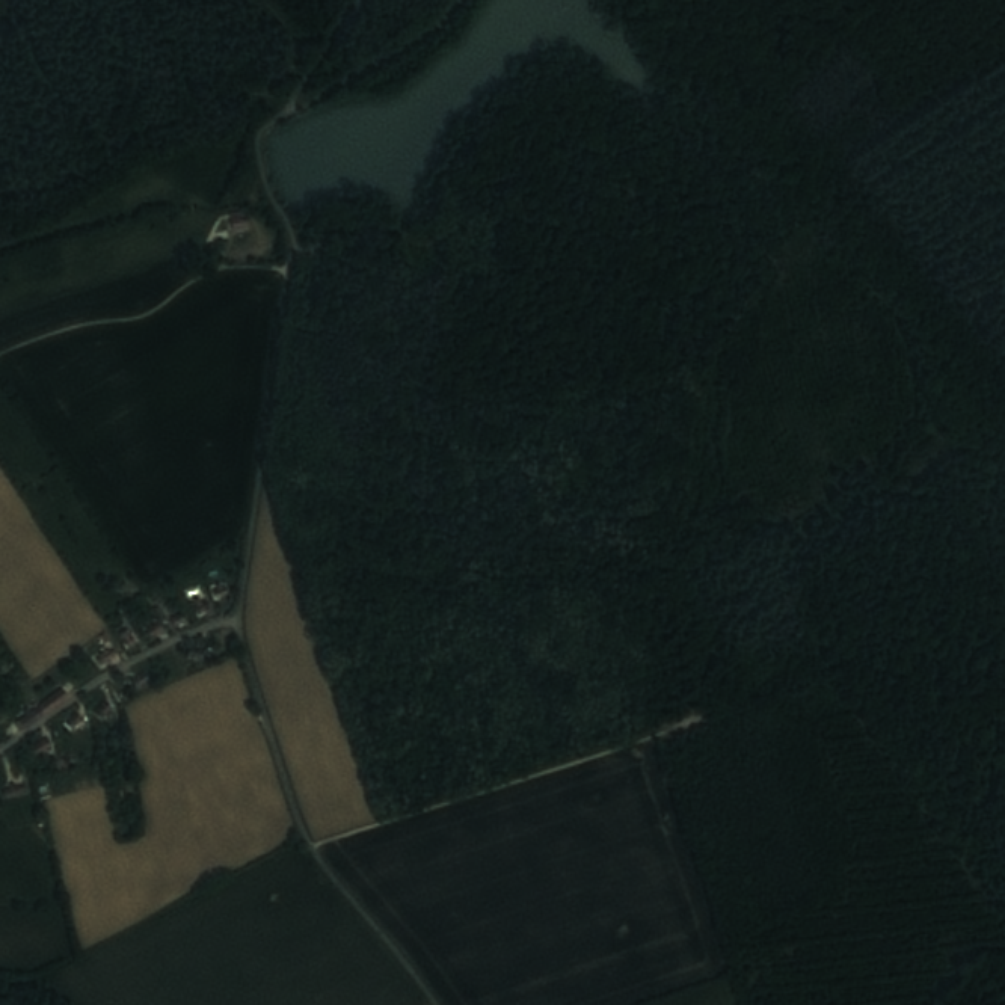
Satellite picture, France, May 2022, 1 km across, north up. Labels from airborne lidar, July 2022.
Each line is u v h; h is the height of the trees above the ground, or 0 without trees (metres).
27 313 0
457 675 10
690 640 21
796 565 22
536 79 21
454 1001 0
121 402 0
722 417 12
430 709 16
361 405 25
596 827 0
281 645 0
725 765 16
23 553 0
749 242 26
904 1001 8
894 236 24
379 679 15
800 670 13
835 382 8
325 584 22
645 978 0
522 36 0
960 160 30
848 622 22
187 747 0
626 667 23
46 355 0
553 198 27
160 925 0
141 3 24
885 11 20
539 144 28
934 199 29
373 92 19
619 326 28
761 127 27
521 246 25
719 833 15
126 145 19
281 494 24
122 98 32
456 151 8
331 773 0
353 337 29
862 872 7
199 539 0
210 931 0
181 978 0
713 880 12
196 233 0
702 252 20
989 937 6
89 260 0
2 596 0
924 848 6
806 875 14
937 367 16
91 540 0
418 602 19
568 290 27
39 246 9
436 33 13
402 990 0
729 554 21
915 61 21
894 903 8
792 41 27
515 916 0
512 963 0
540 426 21
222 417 0
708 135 21
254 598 0
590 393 14
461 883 0
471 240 24
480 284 27
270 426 21
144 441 0
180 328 0
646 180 26
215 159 0
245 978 0
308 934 0
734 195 23
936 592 19
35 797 6
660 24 24
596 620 25
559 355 27
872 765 8
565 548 20
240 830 0
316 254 16
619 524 23
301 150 0
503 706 26
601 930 0
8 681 11
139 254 0
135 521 0
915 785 22
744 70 29
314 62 16
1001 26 27
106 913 0
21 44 34
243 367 0
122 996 0
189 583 0
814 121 21
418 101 0
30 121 31
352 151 0
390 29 15
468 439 26
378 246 28
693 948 0
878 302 9
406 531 25
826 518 26
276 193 7
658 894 0
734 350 7
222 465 0
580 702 22
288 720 0
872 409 6
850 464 8
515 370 23
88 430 0
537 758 20
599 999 0
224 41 28
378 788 23
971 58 21
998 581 19
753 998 13
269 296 0
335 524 17
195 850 0
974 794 26
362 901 0
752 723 14
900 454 14
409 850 0
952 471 18
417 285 29
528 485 27
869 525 22
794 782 15
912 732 22
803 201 23
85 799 0
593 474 14
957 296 28
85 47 27
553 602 24
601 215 28
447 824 0
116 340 0
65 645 0
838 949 7
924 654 22
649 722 20
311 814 0
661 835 0
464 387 26
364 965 0
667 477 20
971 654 16
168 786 0
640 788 0
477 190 24
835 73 20
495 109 18
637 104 26
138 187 0
